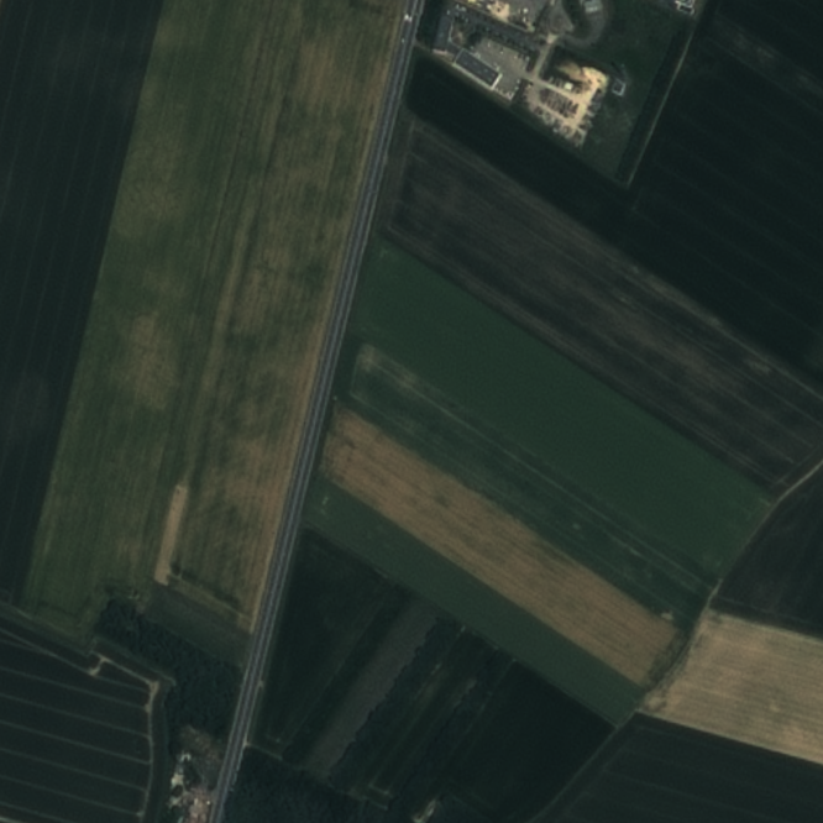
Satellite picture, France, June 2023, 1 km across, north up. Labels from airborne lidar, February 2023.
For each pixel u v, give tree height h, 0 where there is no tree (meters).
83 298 0
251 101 0
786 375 0
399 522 0
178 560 0
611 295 0
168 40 0
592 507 0
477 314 0
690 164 0
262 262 0
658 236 0
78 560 0
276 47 0
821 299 0
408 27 0
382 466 0
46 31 0
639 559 0
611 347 0
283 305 0
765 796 0
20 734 0
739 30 0
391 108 0
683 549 0
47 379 0
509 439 0
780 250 0
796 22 0
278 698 0
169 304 0
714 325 0
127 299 0
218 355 0
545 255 0
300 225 0
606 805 0
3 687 0
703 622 0
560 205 0
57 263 0
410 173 0
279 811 18
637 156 7
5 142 0
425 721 0
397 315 0
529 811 0
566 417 0
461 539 0
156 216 0
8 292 0
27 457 0
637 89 0
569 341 0
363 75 0
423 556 0
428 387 0
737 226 0
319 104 0
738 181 0
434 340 0
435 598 0
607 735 0
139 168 0
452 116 0
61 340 0
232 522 0
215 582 0
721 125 0
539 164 0
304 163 0
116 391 0
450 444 0
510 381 0
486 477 0
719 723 0
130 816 0
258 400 0
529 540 0
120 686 0
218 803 0
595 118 0
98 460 0
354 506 0
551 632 0
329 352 0
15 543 0
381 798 0
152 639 19
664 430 0
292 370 0
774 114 0
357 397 0
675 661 0
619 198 0
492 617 0
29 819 0
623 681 0
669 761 0
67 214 0
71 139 0
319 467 0
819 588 0
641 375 0
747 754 0
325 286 0
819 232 0
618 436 0
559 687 0
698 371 0
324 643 0
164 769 0
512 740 0
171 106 0
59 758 0
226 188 0
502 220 0
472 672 0
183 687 11
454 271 0
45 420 0
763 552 0
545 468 0
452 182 0
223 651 0
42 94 0
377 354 0
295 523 0
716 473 0
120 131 0
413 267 0
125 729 0
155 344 0
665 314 0
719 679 0
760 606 0
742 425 0
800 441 0
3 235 0
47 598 0
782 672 0
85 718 0
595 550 0
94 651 0
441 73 0
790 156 0
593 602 0
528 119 0
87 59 0
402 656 0
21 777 0
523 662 0
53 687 0
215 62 0
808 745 0
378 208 0
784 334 0
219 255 0
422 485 0
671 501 0
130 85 0
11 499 0
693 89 0
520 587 0
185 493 0
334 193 0
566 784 0
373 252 0
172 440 0
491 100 0
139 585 0
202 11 0
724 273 0
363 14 0
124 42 0
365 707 0
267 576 0
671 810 0
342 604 0
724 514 0
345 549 0
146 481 0
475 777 0
